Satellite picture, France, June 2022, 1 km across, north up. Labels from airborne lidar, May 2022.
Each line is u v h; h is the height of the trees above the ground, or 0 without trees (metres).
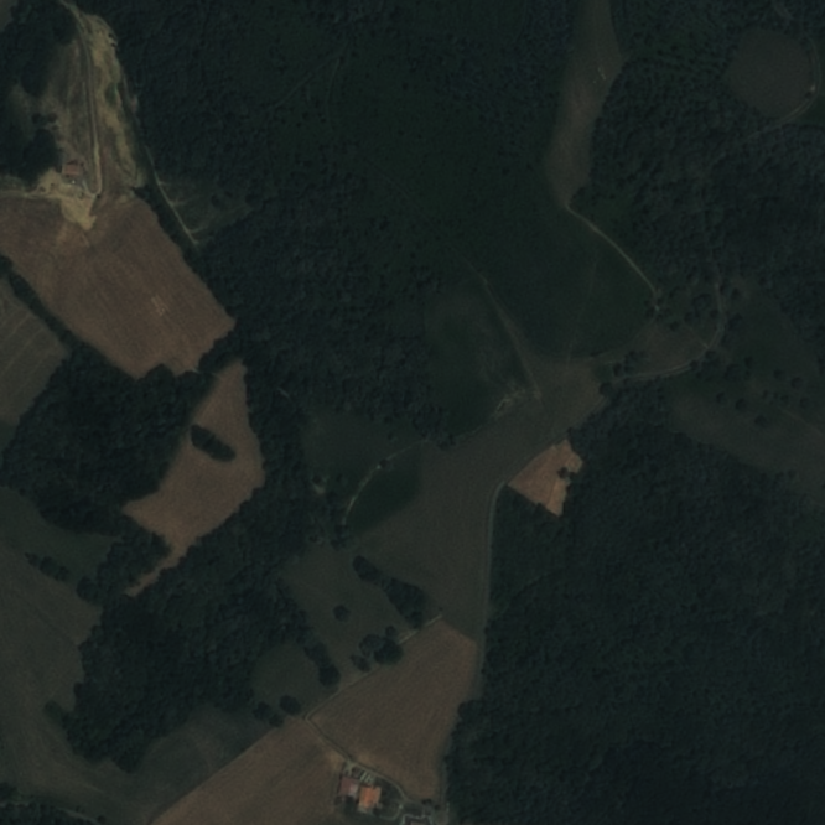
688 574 7
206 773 0
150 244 0
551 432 0
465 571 0
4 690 0
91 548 0
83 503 6
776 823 28
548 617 7
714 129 15
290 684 0
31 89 22
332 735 0
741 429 0
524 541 6
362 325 14
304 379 6
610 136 12
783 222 18
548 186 0
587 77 0
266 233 14
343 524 7
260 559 22
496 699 11
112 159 0
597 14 0
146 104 16
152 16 27
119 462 30
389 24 9
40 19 29
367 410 9
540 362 0
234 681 13
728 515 17
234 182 21
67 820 11
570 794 16
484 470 0
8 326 0
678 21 17
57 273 0
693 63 17
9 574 0
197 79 13
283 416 25
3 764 0
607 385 11
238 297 18
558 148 0
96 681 20
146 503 0
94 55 0
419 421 16
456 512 0
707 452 9
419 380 16
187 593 22
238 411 0
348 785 0
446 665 0
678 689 21
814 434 0
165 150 13
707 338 0
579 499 9
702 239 15
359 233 7
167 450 23
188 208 0
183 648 27
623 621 19
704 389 0
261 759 0
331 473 0
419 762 0
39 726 0
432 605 0
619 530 21
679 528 17
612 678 18
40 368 0
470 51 12
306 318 19
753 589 22
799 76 0
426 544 0
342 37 13
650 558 18
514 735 19
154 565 15
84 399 7
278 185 7
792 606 19
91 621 0
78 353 9
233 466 0
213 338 0
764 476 7
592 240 0
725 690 19
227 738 0
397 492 0
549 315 0
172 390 13
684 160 14
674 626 24
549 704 12
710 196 11
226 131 8
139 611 27
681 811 32
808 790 23
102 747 12
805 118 0
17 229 0
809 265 21
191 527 0
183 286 0
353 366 20
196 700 18
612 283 0
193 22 15
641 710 17
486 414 0
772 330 0
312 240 17
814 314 14
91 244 0
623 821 17
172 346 0
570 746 21
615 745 19
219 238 21
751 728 18
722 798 33
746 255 19
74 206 0
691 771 26
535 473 0
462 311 0
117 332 0
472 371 0
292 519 22
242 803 0
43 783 0
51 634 0
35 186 0
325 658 18
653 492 12
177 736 0
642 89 8
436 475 0
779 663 22
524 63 12
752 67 0
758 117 16
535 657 23
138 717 20
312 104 7
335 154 13
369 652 10
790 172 9
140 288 0
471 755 19
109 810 0
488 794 20
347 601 0
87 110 0
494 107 14
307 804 0
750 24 7
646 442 24
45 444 21
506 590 8
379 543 0
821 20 16
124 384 12
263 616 28
